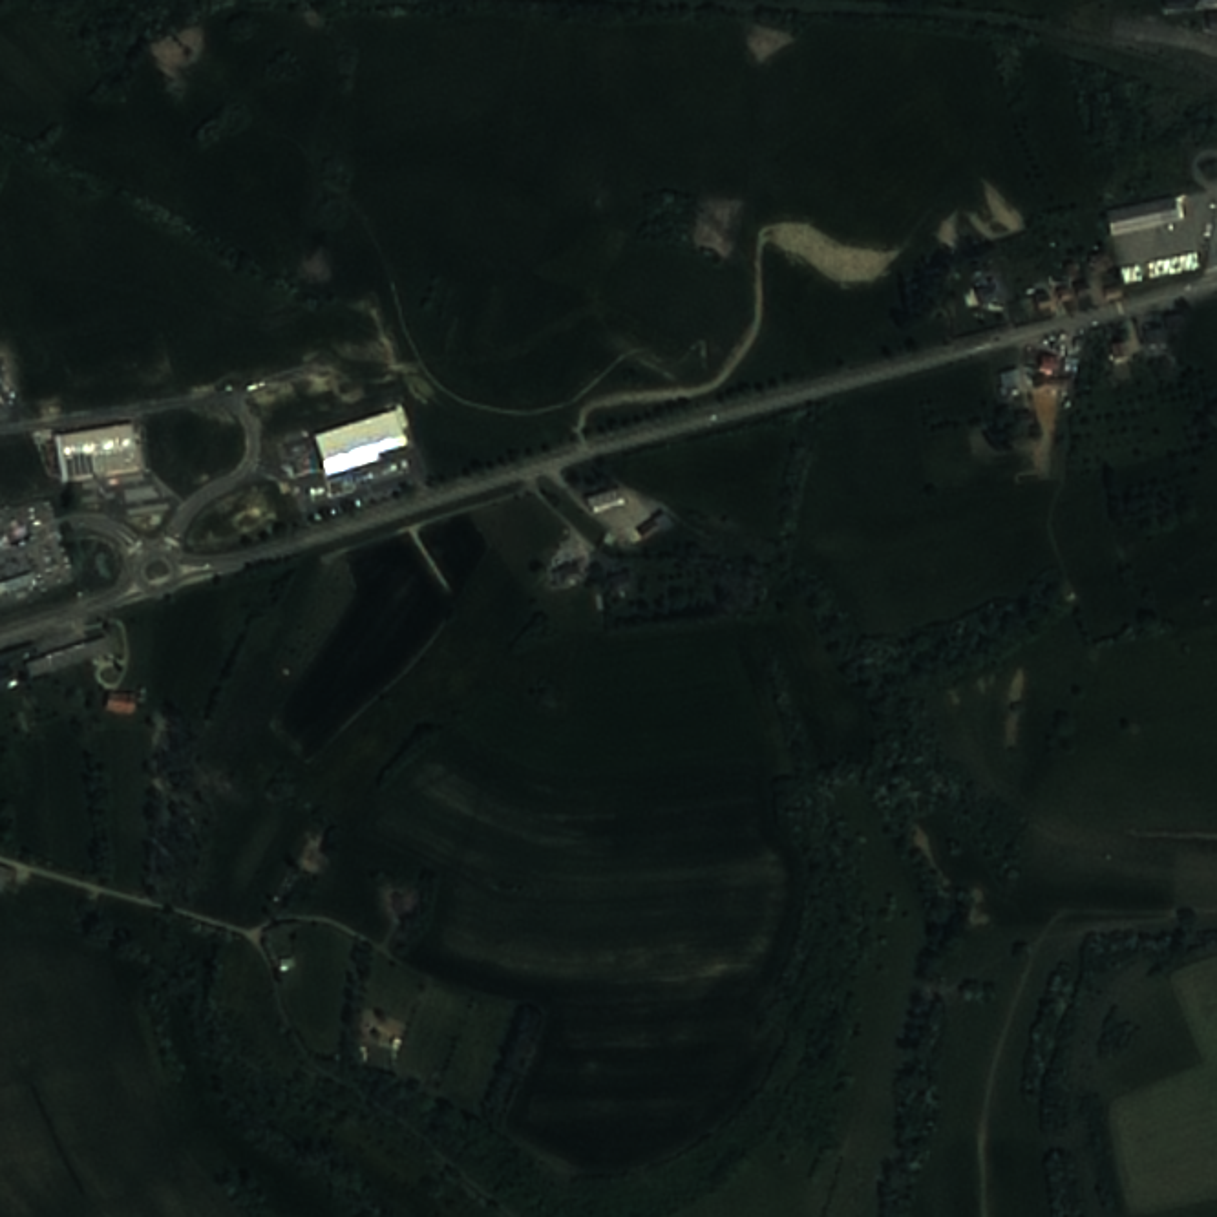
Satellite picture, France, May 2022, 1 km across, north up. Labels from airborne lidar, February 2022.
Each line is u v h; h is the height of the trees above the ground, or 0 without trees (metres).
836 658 9
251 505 0
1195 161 0
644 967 0
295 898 9
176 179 0
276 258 0
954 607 0
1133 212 0
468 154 0
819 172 0
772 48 0
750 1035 0
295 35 0
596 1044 0
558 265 0
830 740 0
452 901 0
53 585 0
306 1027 0
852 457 0
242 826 0
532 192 0
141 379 0
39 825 0
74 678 0
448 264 0
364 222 0
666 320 0
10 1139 0
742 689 0
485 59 0
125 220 0
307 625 0
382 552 0
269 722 0
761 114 0
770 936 0
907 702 7
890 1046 0
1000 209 0
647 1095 0
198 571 0
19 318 0
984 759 0
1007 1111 0
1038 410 0
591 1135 0
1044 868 0
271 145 0
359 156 0
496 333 0
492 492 0
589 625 0
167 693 0
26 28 0
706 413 0
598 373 0
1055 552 0
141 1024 0
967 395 0
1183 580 0
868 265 0
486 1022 0
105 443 0
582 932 0
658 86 0
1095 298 0
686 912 0
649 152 0
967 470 0
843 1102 0
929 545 0
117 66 13
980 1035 0
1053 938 0
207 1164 0
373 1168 0
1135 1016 0
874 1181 0
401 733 0
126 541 0
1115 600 0
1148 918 0
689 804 0
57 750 0
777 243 0
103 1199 0
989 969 0
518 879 0
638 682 0
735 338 0
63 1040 0
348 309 0
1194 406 7
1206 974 0
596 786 0
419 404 0
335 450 0
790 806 6
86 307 0
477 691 0
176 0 9
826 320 0
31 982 0
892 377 0
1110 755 0
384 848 0
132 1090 0
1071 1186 7
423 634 0
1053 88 0
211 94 0
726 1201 0
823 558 0
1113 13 0
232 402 0
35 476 0
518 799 0
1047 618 16
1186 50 0
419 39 0
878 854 0
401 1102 18
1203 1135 0
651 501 0
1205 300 0
